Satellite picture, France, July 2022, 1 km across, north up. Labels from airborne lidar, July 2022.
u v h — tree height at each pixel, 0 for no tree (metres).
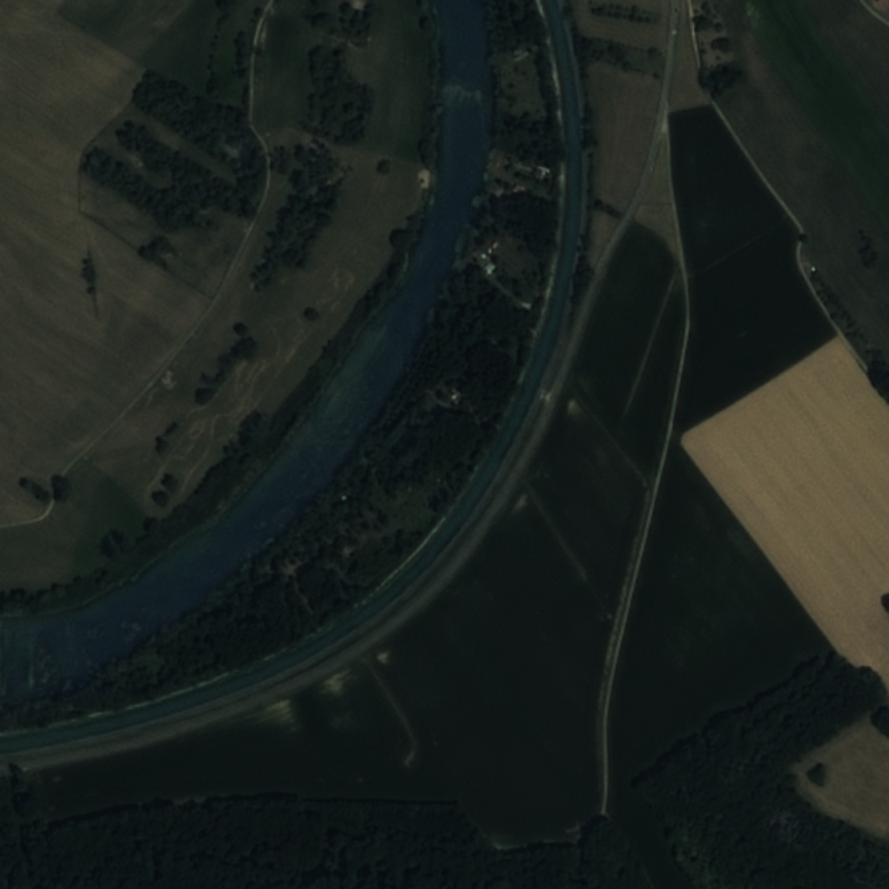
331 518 10
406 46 0
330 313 0
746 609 0
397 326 0
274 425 8
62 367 0
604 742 0
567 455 0
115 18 0
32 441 0
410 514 0
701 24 14
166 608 0
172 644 8
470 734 0
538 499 0
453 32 0
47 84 0
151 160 6
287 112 0
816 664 15
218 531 0
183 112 13
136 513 0
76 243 0
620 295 0
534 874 25
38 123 0
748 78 0
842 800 0
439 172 0
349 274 0
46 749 0
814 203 0
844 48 0
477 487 0
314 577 25
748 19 0
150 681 10
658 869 0
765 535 0
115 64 0
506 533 0
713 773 23
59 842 24
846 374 0
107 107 0
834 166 0
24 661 0
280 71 0
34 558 0
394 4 0
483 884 23
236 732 0
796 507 0
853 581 0
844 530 0
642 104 0
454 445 25
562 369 0
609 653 0
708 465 0
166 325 0
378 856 30
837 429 0
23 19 0
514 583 0
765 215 0
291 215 23
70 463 0
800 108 0
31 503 0
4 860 17
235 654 23
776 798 15
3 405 0
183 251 0
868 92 0
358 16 11
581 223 0
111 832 21
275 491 0
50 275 0
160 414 0
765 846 11
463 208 0
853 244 0
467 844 26
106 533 0
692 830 15
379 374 0
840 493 0
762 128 0
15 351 0
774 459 0
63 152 0
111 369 0
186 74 0
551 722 0
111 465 0
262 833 24
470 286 27
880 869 12
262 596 25
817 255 0
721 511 0
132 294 0
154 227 0
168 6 0
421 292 0
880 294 0
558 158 20
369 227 0
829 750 0
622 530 0
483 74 0
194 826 23
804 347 0
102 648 0
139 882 20
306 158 18
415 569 0
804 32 0
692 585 0
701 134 0
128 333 0
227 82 0
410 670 0
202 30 0
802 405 0
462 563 0
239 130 11
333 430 0
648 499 0
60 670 0
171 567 0
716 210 0
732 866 19
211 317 0
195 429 0
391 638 0
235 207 8
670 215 0
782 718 8
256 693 0
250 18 0
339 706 0
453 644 0
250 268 0
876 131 0
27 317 0
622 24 0
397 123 0
